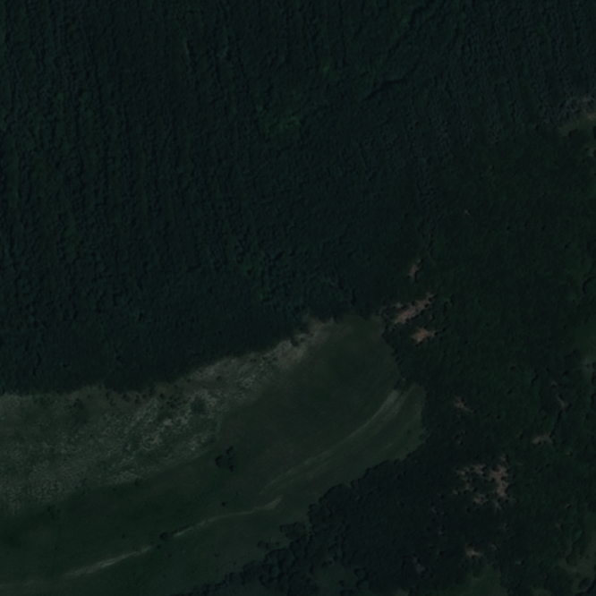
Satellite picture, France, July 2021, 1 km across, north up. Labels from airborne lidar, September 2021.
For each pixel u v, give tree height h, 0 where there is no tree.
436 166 12
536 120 17
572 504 24
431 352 23
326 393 0
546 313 28
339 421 0
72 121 14
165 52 12
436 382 19
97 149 18
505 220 24
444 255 21
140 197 30
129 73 18
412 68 19
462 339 23
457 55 24
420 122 18
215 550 0
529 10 20
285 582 20
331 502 20
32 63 29
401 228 16
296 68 20
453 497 17
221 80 29
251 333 15
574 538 11
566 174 23
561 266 25
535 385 23
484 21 24
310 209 18
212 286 23
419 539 20
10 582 0
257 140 16
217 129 20
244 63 30
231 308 20
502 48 22
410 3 23
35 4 27
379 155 19
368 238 13
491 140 18
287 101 23
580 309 15
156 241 17
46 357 27
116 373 23
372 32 21
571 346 11
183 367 16
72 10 17
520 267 24
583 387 24
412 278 14
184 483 0
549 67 21
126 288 23
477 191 21
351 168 15
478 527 25
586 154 18
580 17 22
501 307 26
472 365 19
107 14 18
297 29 27
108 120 28
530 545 21
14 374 25
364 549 20
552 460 25
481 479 25
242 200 26
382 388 0
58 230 18
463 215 21
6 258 23
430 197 17
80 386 14
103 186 19
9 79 21
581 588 10
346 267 16
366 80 23
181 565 0
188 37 33
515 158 19
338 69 21
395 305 19
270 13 24
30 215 20
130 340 23
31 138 14
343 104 21
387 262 17
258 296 23
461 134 14
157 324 26
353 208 12
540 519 23
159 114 24
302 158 16
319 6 25
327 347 0
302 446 0
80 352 24
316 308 17
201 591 7
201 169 18
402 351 19
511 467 24
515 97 20
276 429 0
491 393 26
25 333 22
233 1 20
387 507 23
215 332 19
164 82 26
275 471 0
